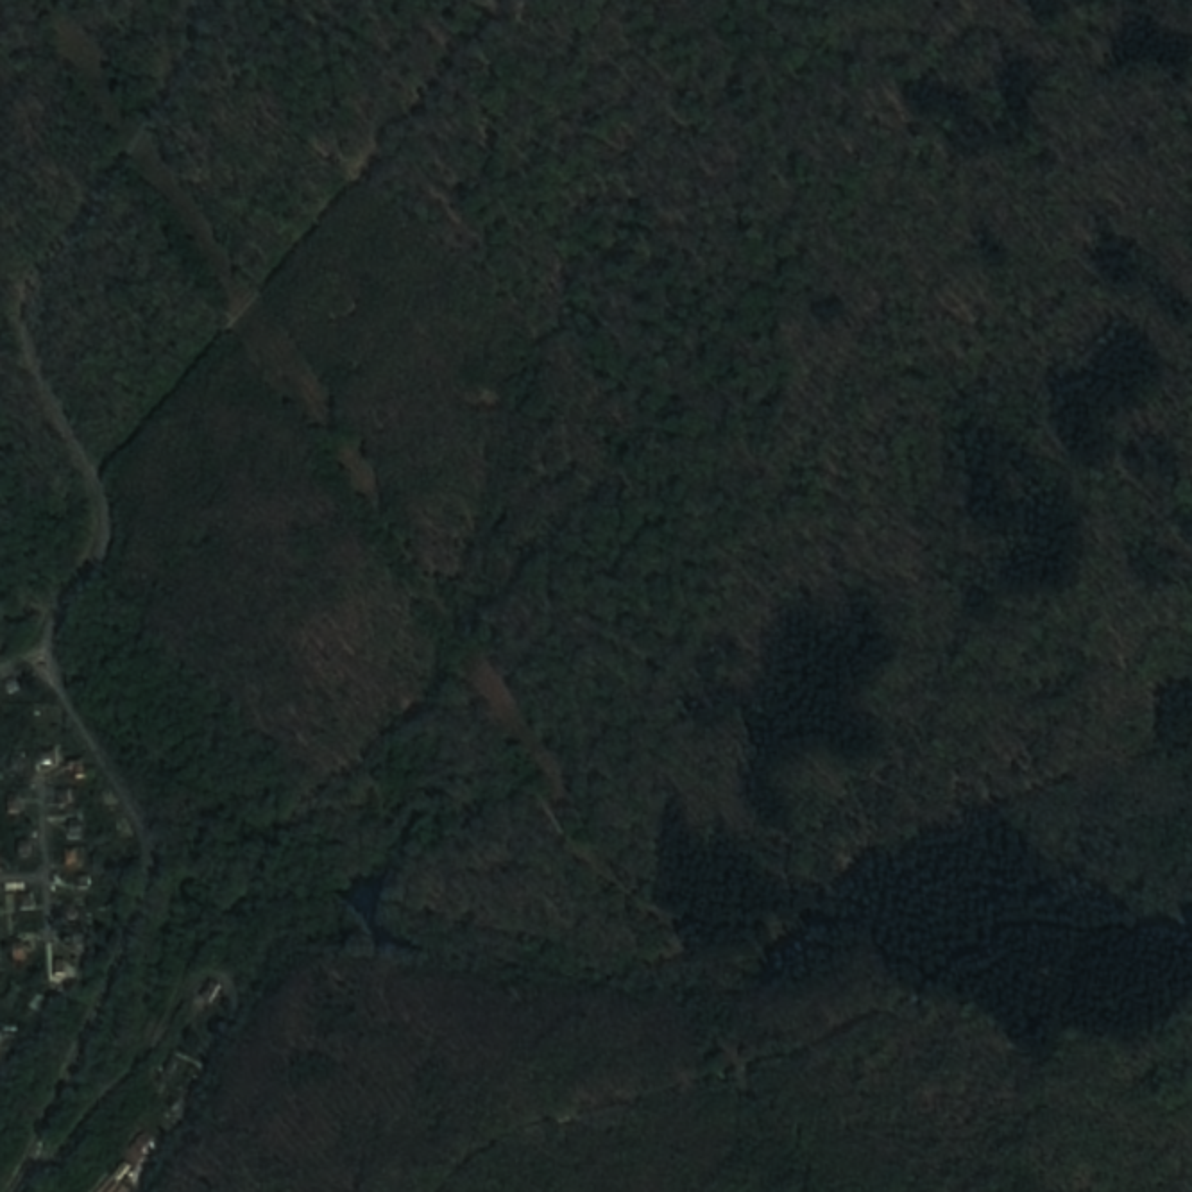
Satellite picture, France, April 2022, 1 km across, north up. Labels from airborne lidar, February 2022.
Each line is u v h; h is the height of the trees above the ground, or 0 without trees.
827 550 30
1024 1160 15
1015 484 29
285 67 31
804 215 28
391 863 21
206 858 17
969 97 27
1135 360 41
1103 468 31
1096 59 21
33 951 0
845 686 37
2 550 27
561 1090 18
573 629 33
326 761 26
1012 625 31
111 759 14
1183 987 23
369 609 0
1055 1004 32
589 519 31
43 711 0
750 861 29
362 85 28
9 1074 25
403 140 31
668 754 34
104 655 24
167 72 0
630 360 32
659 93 29
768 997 19
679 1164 14
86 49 0
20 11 29
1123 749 26
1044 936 31
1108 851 23
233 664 26
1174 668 26
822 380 27
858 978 18
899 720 26
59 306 26
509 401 19
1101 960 27
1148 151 31
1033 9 30
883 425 29
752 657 24
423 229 26
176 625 25
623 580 29
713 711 32
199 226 0
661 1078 14
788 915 34
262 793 28
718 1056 12
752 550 29
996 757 20
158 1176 13
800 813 25
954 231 27
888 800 21
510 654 30
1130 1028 22
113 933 10
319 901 22
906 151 26
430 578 19
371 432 16
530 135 29
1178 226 28
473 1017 14
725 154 32
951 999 19
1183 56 25
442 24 30
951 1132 8
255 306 0
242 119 0
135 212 27
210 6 22
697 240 29
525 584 23
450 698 32
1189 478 26
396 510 18
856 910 31
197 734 22
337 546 23
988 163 30
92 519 14
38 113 28
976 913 35
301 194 22
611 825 29
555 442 19
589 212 31
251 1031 10
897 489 30
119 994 19
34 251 24
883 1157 12
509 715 0
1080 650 25
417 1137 15
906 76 30
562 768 23
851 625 30
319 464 20
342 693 0
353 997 12
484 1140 17
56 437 25
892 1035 14
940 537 29
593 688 32
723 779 26
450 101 31
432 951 23
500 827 30
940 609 31
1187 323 33
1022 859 29
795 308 29
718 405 32
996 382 28
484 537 16
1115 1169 18
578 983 7
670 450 32
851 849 17
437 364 12
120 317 26
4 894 0
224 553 22
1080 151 28
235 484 19
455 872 30
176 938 25
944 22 26
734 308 30
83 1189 13
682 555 34
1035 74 34
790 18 32
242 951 19
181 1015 8
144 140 0
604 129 31
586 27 28
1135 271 27
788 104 31
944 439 28
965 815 23
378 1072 16
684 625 28
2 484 25
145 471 15
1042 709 24
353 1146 12
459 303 0
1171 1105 24
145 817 16
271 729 21
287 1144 14
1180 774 15
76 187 0
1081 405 38
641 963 22
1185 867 14
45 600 28
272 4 30
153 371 23
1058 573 30
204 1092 15
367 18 28
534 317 30
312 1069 11
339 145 21
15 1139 20
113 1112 11
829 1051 16
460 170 29
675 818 31
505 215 28
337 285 14
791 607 29
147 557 20
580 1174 12
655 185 31
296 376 0
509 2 29
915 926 36
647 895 19
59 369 26
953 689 25
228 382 14
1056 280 26
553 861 27
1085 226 29
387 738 21
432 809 21
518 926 29
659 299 33
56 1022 26
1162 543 29
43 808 0
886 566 28
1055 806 28
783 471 28
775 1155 13
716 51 32
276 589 25
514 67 31
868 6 31
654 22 27
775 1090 13
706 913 27
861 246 29
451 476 0
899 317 26
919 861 30
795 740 27
